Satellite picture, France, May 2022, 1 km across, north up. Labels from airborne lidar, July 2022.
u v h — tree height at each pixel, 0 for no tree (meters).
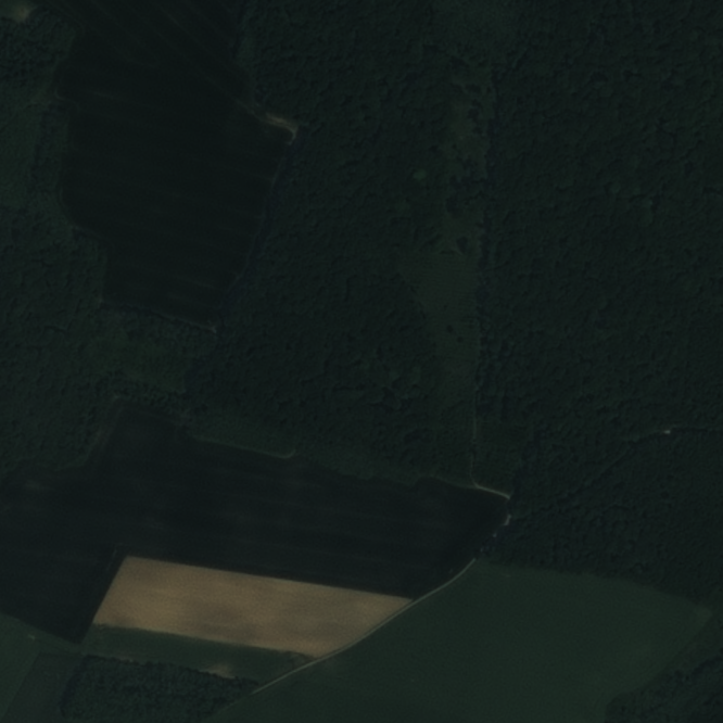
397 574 0
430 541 0
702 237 24
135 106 0
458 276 0
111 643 0
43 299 28
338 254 28
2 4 0
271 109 31
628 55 26
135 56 0
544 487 28
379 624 0
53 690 0
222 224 0
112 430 0
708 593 15
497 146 27
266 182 0
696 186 28
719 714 21
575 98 31
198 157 0
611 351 25
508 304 28
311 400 30
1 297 30
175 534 0
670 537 24
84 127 0
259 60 23
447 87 30
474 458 25
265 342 30
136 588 0
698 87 27
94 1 0
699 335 20
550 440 24
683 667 0
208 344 21
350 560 0
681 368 24
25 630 0
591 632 0
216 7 0
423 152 33
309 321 31
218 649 0
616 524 29
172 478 0
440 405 16
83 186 0
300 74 27
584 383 20
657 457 23
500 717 0
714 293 25
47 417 29
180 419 0
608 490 28
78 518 0
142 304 0
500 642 0
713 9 31
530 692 0
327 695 0
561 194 28
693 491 21
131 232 0
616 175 31
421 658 0
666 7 29
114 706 28
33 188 16
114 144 0
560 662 0
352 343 33
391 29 32
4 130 11
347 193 25
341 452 21
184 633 0
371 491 0
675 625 0
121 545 0
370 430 32
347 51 27
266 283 31
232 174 0
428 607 0
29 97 23
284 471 0
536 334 26
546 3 31
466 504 0
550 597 0
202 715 22
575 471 22
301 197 29
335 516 0
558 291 27
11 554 0
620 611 0
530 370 28
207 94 0
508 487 6
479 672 0
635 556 29
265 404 28
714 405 21
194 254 0
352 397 30
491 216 25
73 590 0
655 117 28
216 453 0
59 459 19
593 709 0
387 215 30
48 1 0
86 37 0
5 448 19
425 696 0
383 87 30
